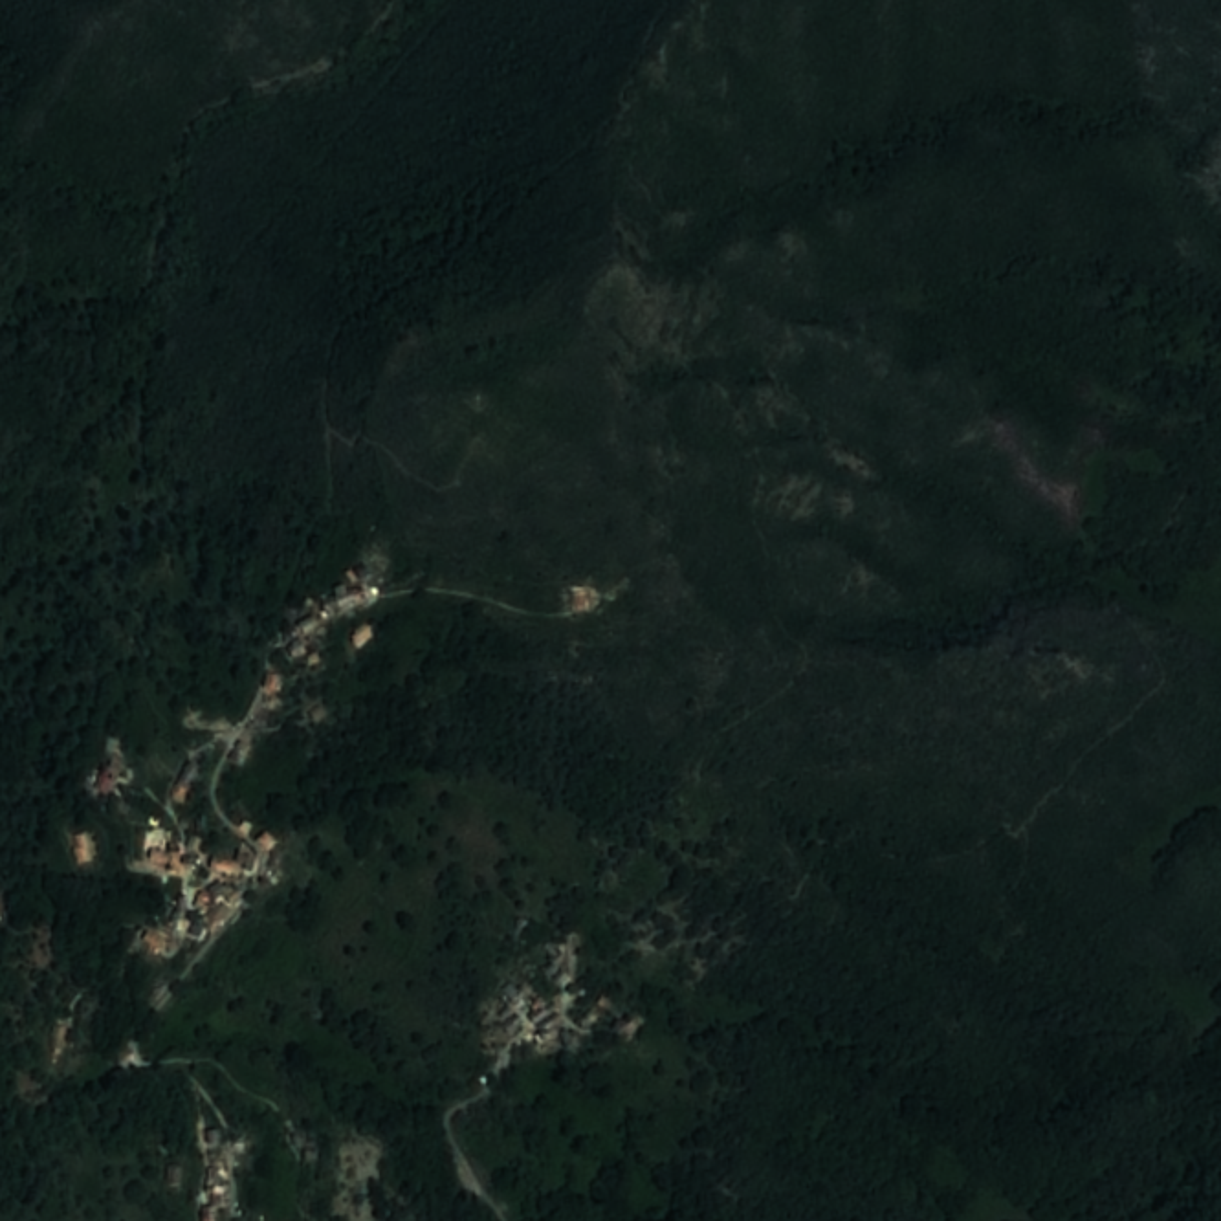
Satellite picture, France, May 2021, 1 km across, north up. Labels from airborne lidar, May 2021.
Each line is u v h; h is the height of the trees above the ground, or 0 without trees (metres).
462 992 9
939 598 6
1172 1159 22
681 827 11
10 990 18
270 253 7
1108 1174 13
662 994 8
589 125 7
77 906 19
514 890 16
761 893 10
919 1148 12
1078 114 17
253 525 6
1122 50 7
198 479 6
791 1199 11
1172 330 10
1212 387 17
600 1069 14
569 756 14
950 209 7
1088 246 6
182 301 6
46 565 18
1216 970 18
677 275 5
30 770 17
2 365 18
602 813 13
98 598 15
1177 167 8
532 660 8
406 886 0
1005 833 5
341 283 11
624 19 6
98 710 11
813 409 6
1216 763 6
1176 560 8
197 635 17
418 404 0
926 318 9
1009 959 9
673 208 9
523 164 6
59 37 5
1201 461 6
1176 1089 17
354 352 7
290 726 9
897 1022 6
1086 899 6
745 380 9
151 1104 16
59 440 10
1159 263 6
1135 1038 13
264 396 6
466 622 8
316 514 14
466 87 7
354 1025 16
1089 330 10
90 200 9
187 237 16
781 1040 9
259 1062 7
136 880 7
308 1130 9
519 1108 11
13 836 10
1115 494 7
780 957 6
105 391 6
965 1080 17
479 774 16
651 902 11
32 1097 10
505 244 7
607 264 0
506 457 0
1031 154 6
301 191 9
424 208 12
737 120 9
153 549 13
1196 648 6
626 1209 24
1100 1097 15
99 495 25
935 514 7
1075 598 8
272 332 6
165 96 6
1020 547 13
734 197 8
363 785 17
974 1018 6
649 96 6
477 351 15
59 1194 8
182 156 9
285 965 5
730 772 10
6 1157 19
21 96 9
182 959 8
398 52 6
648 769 8
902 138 9
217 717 0
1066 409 6
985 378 12
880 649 8
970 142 5
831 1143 9
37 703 11
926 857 8
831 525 7
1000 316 7
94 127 6
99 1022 12
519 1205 6
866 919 6
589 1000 10
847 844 7
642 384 6
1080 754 7
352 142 6
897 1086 27
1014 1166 6
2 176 11
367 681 16
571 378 0
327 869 16
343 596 0
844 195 8
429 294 10
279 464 6
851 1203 14
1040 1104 26
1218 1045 21
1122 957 8
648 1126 8
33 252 7
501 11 6
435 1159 15
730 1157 8
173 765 0
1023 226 6
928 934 22
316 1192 6
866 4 6
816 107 6
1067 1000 7
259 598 9
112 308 20
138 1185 15
